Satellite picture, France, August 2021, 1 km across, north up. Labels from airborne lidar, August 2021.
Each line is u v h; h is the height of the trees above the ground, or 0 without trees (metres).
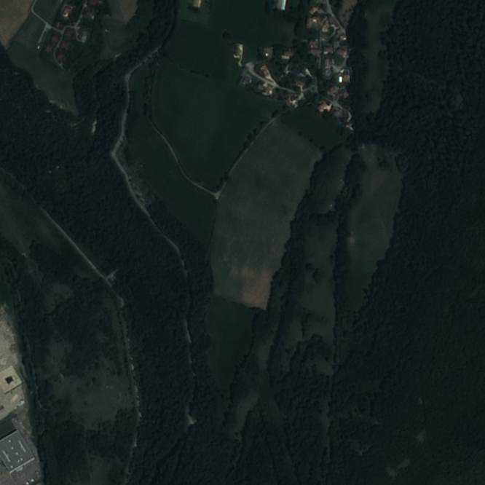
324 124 0
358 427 11
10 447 0
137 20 13
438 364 19
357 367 15
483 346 17
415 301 19
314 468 18
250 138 15
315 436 15
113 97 19
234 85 0
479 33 19
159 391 22
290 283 6
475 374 20
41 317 11
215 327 0
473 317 18
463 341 16
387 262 14
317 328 0
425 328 12
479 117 16
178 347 19
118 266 24
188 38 0
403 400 12
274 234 0
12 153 21
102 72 16
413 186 15
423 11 11
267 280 0
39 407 13
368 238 0
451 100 21
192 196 0
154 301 24
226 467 16
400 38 21
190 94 0
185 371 22
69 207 22
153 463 22
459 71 10
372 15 0
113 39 0
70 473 7
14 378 0
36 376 9
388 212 0
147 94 12
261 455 16
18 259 13
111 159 11
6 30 0
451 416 15
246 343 0
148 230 16
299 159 0
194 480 19
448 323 14
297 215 10
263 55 5
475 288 18
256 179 0
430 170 16
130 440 8
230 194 0
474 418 19
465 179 10
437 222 9
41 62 0
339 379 14
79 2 7
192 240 14
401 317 19
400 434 16
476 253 15
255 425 14
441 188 19
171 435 25
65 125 11
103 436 10
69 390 0
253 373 6
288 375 9
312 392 19
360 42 16
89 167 12
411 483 19
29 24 0
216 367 0
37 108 14
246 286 0
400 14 19
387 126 10
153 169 0
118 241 16
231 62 0
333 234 0
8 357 0
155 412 13
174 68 0
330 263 0
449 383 16
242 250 0
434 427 14
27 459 0
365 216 0
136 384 10
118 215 13
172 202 0
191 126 0
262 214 0
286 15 6
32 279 14
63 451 12
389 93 12
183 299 22
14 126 17
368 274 0
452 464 21
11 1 0
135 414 8
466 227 21
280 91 12
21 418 0
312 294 0
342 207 20
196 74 8
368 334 11
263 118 0
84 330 14
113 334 7
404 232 16
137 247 20
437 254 21
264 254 0
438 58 13
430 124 21
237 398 14
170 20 14
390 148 12
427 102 9
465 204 5
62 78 0
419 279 21
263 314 23
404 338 17
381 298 18
